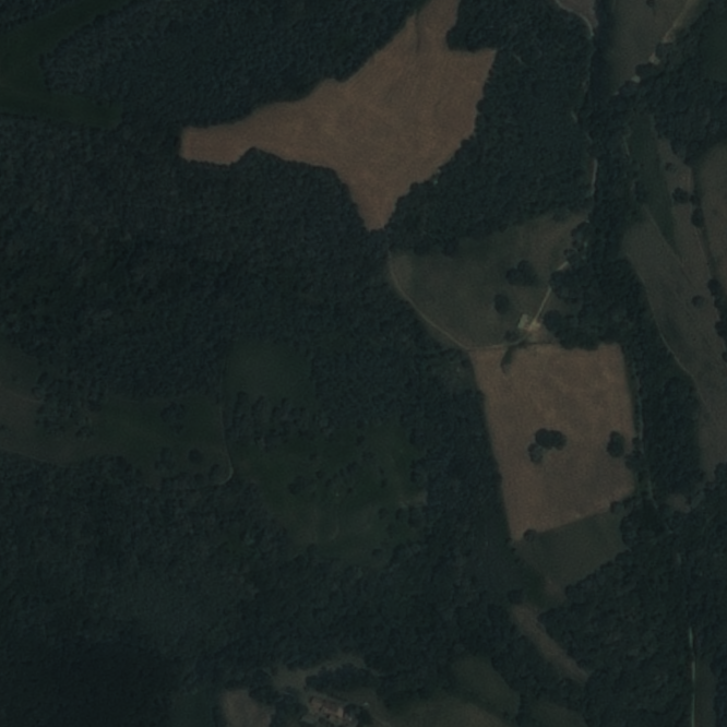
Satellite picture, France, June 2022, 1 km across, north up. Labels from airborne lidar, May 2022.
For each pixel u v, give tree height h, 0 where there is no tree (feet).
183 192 47
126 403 0
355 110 0
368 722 45
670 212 0
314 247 28
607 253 52
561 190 64
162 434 0
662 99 59
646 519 47
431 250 52
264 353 0
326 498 0
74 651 99
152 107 51
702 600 38
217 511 57
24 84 0
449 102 0
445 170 40
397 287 0
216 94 51
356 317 61
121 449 0
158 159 43
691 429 68
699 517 59
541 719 0
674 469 33
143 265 62
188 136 0
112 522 59
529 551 0
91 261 72
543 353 0
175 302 46
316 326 60
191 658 45
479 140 42
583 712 56
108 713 103
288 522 0
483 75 0
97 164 27
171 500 34
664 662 85
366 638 55
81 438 46
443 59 0
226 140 0
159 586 19
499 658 62
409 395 57
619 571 54
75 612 40
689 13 0
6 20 35
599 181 24
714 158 0
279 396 0
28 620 42
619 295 71
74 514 48
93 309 42
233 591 19
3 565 54
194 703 0
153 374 66
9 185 77
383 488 34
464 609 63
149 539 23
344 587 58
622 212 79
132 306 51
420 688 59
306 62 57
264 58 46
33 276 72
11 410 0
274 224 41
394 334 64
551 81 62
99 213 49
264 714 0
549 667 61
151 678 93
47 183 30
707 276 0
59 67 56
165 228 37
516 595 51
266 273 48
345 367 70
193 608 41
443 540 42
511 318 0
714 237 0
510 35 43
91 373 52
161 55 54
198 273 80
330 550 0
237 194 47
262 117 0
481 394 34
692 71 24
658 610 65
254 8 79
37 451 0
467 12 37
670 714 81
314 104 0
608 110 41
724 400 0
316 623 75
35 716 70
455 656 54
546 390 0
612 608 24
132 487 52
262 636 52
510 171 59
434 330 0
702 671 0
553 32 67
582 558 0
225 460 0
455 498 49
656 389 50
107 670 102
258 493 56
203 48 72
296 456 0
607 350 0
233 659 58
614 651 53
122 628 56
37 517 52
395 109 0
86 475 25
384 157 0
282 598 59
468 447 67
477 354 0
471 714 0
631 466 59
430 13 0
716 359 0
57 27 0
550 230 0
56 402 49
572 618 72
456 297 0
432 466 67
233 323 26
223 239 31
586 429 0
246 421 52
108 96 52
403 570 79
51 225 69
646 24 0
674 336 0
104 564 68
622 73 0
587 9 0
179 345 56
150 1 59
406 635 103
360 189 0
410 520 29
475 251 0
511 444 0
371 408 67
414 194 53
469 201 64
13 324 65
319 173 46
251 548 22
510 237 0
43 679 68
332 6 45
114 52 49
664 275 0
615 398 0
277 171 40
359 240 33
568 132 77
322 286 46
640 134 0
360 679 71
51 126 42
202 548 59
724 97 30
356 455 0
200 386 46
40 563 38
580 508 0
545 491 0
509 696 0
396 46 0
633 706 72
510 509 0
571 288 78
